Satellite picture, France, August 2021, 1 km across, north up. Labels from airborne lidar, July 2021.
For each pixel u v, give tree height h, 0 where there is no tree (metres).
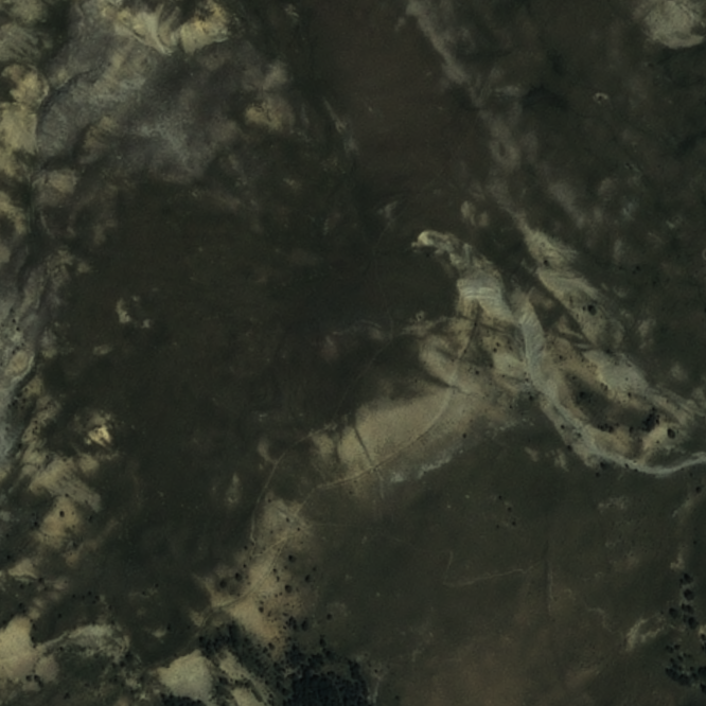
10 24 0
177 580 0
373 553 0
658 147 0
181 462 0
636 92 0
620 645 0
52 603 0
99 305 0
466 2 0
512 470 0
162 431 0
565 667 0
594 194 0
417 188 0
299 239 0
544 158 0
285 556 0
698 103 0
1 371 0
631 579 0
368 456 0
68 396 0
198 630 0
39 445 0
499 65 0
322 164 0
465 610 0
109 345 0
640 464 0
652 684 0
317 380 0
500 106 0
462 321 0
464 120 0
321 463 0
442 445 0
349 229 0
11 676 0
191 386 0
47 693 0
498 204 0
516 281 0
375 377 0
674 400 0
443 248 0
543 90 0
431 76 0
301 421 0
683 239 0
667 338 0
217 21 0
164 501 0
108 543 0
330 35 0
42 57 0
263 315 0
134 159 0
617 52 0
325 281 0
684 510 0
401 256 0
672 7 0
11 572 0
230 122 0
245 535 0
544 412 0
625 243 0
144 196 0
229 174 0
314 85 0
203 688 0
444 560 0
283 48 0
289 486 0
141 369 0
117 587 0
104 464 0
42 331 0
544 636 0
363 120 0
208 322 0
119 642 0
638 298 0
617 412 0
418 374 0
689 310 0
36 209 0
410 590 0
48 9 0
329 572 0
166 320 0
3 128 0
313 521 0
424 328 0
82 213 0
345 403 0
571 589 0
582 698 0
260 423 0
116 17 0
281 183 0
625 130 0
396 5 0
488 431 0
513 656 0
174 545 0
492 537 0
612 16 0
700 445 0
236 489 0
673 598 0
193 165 0
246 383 0
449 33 0
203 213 0
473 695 0
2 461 0
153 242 0
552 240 0
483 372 0
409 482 0
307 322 0
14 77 0
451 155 0
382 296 0
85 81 0
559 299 0
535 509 0
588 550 0
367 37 0
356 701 11
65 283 0
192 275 0
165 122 0
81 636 0
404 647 0
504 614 0
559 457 0
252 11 0
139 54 0
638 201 0
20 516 0
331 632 0
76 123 0
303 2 0
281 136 0
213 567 0
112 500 0
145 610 0
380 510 0
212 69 0
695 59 0
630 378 0
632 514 0
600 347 0
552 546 0
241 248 0
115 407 0
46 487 0
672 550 0
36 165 0
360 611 0
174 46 0
